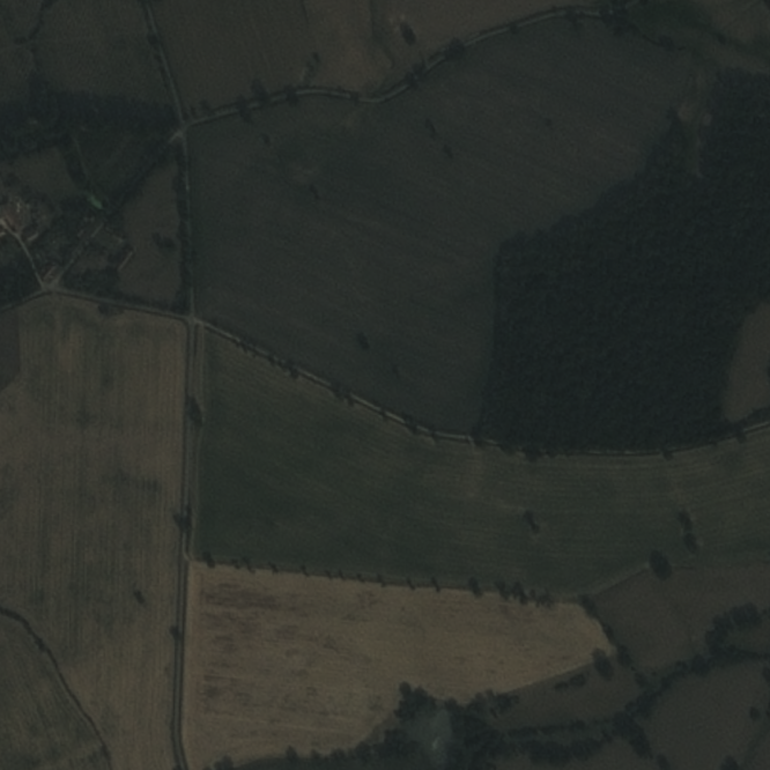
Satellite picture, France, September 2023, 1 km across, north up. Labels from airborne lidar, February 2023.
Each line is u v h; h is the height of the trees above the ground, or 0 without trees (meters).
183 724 0
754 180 21
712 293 20
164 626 0
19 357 0
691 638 0
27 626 7
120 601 0
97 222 0
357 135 0
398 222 0
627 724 16
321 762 10
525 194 0
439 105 0
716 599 0
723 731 0
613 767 0
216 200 0
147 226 0
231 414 0
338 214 0
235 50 0
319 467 0
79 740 0
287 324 0
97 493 0
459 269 0
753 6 0
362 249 0
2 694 0
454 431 0
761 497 0
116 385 0
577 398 18
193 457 0
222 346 0
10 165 7
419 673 0
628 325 17
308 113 0
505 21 0
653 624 0
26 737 0
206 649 0
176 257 0
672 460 0
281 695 0
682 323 22
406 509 0
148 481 0
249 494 0
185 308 12
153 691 0
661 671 0
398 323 0
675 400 18
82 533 0
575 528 0
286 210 0
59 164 0
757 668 0
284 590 0
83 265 0
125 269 0
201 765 0
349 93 0
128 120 27
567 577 0
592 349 17
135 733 0
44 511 0
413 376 0
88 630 0
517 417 17
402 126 0
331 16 0
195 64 0
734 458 0
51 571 0
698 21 0
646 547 0
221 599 0
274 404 0
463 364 0
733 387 0
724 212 24
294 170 0
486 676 0
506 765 0
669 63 0
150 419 0
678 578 0
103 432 0
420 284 0
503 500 0
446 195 0
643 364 20
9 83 0
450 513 0
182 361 0
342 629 0
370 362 0
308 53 0
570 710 0
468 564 0
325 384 0
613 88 0
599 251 19
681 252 22
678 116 16
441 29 0
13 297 16
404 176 0
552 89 0
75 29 0
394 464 0
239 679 0
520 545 0
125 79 0
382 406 0
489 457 0
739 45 0
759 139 18
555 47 0
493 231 0
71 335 0
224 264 0
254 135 0
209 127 0
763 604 0
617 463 0
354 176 0
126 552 0
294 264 0
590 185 0
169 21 0
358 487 0
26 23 0
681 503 0
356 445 0
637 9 0
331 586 0
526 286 21
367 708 0
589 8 0
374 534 0
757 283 23
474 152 0
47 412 0
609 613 0
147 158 16
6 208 0
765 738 0
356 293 0
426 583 0
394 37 0
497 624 0
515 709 0
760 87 15
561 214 0
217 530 0
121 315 0
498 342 15
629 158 0
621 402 18
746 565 0
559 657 0
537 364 18
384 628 0
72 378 0
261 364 0
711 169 21
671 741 0
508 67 0
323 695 0
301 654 0
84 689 0
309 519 0
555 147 0
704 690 0
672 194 20
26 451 0
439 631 0
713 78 0
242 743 0
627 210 12
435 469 0
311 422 0
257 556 0
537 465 0
